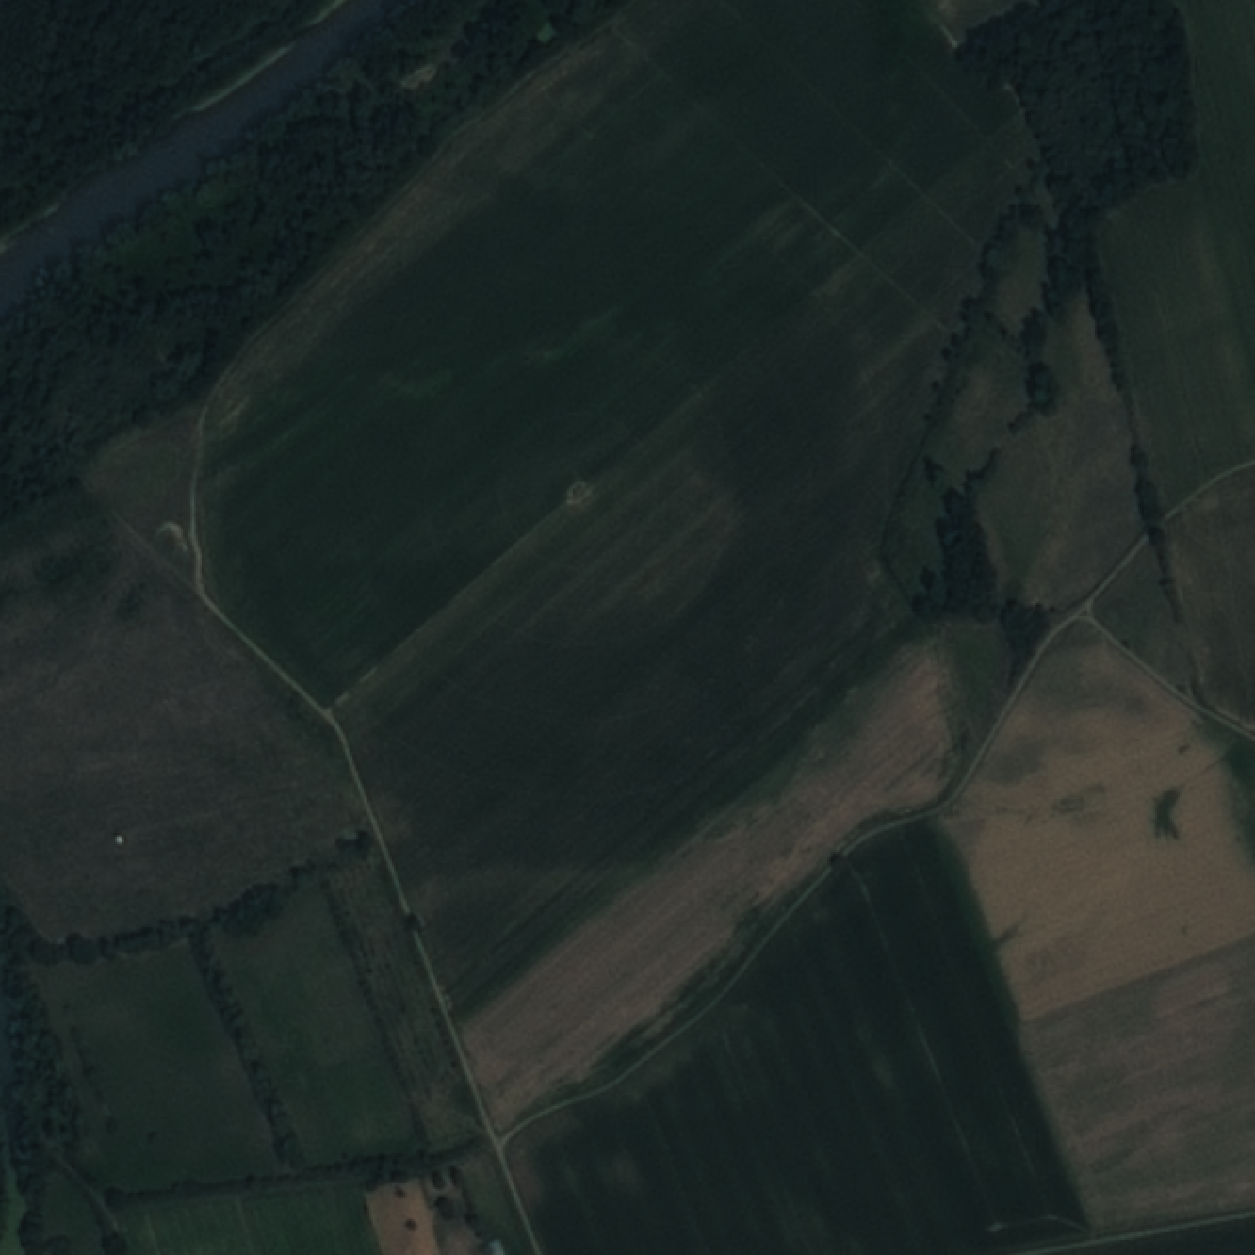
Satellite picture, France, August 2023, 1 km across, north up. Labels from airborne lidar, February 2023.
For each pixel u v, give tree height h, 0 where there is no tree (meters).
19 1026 15
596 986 0
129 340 31
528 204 0
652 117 0
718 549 0
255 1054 21
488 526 0
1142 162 23
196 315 20
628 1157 0
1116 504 0
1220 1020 0
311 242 12
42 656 0
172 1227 0
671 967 0
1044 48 9
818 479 0
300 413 0
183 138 0
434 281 0
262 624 0
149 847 0
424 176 0
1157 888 0
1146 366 0
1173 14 21
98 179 0
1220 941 0
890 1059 0
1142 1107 0
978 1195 0
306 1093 0
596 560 0
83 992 0
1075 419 0
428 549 0
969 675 0
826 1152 0
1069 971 0
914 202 0
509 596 0
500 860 0
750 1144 0
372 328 0
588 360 0
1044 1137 0
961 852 0
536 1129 0
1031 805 0
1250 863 0
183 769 0
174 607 0
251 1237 0
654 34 0
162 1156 0
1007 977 0
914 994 0
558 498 0
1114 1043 0
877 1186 0
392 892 0
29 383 6
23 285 0
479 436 0
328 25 0
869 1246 0
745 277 0
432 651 0
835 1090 0
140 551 0
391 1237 0
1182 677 0
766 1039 0
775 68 0
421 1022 0
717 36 0
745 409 0
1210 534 0
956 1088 0
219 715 0
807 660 0
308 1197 0
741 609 0
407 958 0
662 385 0
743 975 0
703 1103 0
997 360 0
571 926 0
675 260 0
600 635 0
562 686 0
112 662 0
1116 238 0
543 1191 0
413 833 0
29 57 39
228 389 0
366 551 0
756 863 0
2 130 38
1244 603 0
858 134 0
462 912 0
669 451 0
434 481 0
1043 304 0
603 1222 0
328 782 0
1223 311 0
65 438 6
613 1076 0
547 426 0
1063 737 0
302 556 0
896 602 0
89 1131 6
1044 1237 0
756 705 0
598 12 13
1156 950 0
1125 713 0
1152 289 0
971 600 20
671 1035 0
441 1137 0
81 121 14
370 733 0
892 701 0
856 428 0
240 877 0
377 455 0
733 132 0
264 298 16
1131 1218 0
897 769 0
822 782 0
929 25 0
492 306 0
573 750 0
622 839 0
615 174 0
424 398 0
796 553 0
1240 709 0
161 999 0
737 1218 0
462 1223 0
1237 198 0
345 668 0
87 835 0
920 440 0
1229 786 0
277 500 0
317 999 0
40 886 0
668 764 0
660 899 0
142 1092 0
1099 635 0
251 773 0
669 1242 0
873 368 0
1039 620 12
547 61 12
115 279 14
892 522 0
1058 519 0
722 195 0
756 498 0
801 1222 0
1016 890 0
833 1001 0
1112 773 0
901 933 0
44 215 0
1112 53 19
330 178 22
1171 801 0
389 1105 0
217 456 0
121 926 0
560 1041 0
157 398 17
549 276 0
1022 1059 0
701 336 0
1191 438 0
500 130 0
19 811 0
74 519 0
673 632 0
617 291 0
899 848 0
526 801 0
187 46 17
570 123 0
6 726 0
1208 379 0
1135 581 0
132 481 0
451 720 0
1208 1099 0
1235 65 0
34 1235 16
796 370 0
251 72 0
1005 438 0
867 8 0
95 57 17
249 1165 0
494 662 0
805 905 0
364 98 14
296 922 0
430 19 26
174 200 13
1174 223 0
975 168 0
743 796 0
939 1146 0
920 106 0
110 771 0
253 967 0
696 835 0
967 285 0
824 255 0
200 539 0
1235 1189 0
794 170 0
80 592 0
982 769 0
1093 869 0
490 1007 0
